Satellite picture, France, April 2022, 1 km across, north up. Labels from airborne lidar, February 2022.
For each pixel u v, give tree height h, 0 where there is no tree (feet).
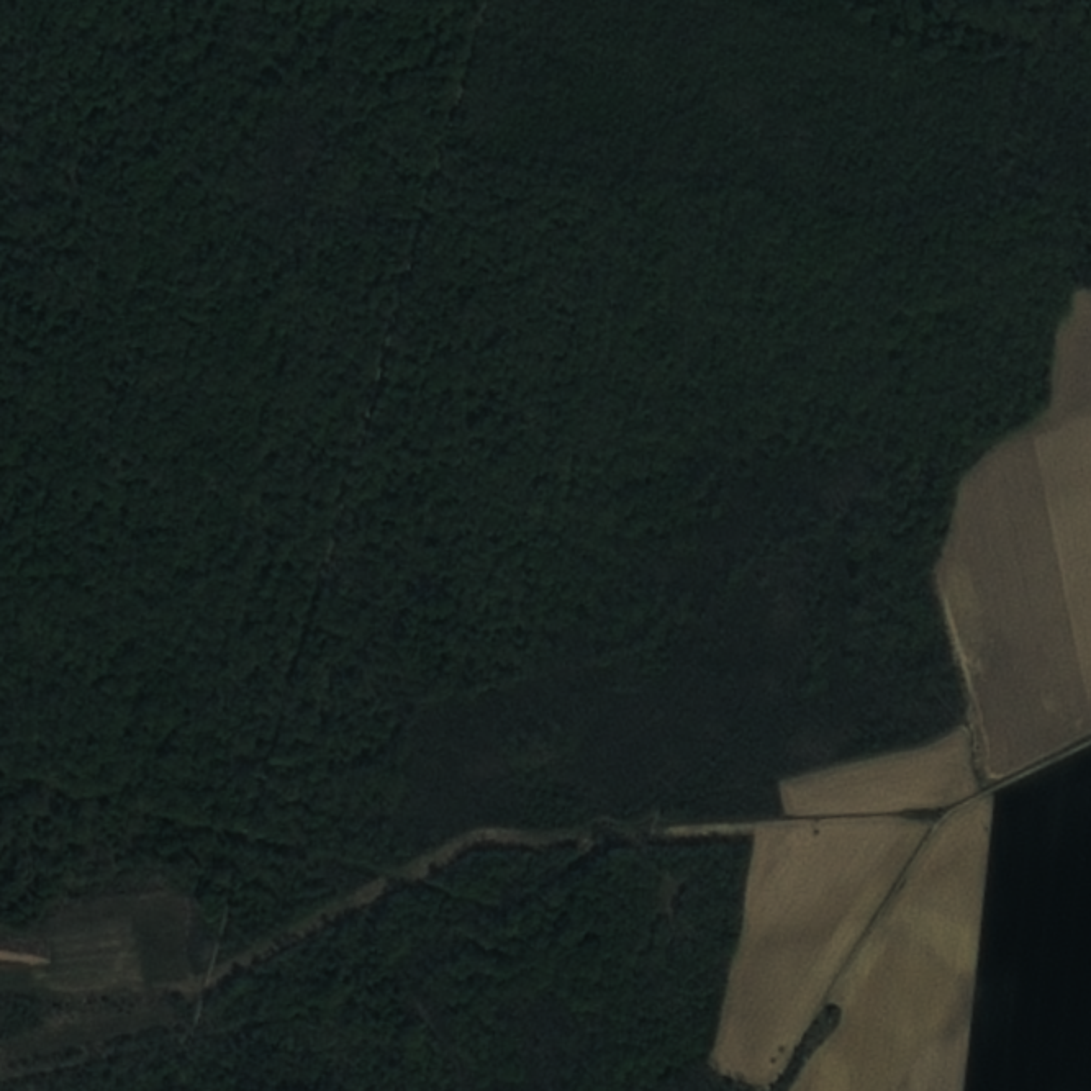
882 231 61
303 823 76
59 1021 0
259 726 52
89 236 70
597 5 44
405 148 71
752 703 56
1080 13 80
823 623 61
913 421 66
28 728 74
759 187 66
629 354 65
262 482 70
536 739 64
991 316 66
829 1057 0
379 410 67
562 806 19
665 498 67
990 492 0
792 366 67
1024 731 0
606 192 70
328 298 70
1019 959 0
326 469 60
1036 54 66
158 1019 0
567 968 76
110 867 63
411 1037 73
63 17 62
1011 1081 0
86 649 60
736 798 45
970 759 0
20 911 33
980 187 52
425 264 55
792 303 64
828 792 0
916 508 59
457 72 60
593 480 64
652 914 38
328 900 42
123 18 64
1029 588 0
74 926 0
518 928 71
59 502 50
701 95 36
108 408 57
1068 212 58
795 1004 0
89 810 63
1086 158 42
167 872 43
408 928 71
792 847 0
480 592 67
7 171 62
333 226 60
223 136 54
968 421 65
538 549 64
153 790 68
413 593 69
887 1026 0
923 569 50
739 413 63
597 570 70
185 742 71
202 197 57
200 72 57
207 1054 51
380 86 64
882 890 0
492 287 67
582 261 44
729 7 46
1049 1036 0
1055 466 0
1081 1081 0
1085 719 0
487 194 63
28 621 69
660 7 38
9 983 0
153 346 57
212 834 66
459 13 66
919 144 52
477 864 50
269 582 72
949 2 73
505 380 69
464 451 72
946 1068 0
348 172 59
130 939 0
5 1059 0
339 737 78
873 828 0
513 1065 80
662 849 49
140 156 56
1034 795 0
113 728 74
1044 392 50
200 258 50
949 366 63
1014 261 63
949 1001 0
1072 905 0
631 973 42
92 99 60
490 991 81
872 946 0
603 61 31
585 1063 63
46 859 61
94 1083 47
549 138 50
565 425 64
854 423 75
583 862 22
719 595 57
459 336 72
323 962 62
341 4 63
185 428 52
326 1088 37
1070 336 0
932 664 51
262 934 39
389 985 64
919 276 82
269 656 57
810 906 0
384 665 72
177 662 61
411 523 55
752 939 0
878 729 41
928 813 0
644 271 52
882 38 47
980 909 0
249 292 39
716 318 53
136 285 51
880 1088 0
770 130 42
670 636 43
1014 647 0
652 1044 56
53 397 52
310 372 72
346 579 70
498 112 53
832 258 73
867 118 48
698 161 45
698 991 53
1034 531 0
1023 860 0
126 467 55
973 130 43
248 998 30
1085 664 0
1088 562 0
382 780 53
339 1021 58
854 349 65
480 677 76
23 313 60
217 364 58
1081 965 0
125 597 68
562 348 74
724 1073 61
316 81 73
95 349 55
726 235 61
